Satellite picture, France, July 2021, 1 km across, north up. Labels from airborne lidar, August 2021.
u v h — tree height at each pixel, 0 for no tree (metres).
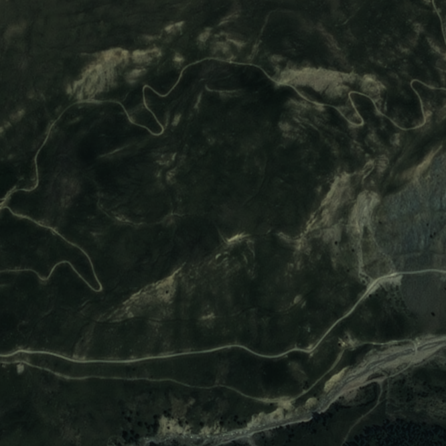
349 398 0
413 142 0
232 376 0
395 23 0
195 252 0
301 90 0
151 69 0
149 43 0
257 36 0
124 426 0
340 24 0
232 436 0
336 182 0
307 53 0
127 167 0
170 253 0
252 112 0
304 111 0
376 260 0
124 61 0
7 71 0
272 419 0
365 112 0
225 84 0
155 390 0
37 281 0
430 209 0
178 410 0
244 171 0
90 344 0
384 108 0
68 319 0
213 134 0
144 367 0
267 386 0
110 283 0
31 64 0
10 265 0
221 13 0
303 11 0
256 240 0
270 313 0
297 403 0
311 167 0
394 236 0
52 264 0
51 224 0
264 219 0
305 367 0
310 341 0
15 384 0
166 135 0
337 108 0
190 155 0
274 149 0
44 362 0
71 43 0
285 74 0
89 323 0
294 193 0
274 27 0
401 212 0
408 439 18
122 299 0
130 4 0
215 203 0
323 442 0
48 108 0
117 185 0
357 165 0
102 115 0
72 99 0
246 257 0
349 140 0
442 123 0
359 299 0
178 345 0
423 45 0
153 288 0
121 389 0
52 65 0
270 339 0
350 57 0
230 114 0
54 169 0
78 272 0
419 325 0
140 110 0
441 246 0
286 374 0
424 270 0
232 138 0
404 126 0
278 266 0
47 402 0
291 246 0
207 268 0
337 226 0
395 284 0
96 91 0
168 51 0
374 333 0
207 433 0
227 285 0
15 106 0
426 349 0
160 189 0
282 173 0
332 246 0
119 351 0
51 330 0
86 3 0
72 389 0
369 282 0
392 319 0
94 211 0
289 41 0
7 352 0
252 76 0
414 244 0
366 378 0
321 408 0
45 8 0
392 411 0
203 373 0
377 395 6
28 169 0
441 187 0
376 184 0
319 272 0
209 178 0
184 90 0
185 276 0
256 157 0
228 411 0
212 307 0
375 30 0
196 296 0
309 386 6
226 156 0
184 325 0
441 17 0
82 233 0
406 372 0
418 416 0
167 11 0
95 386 0
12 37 0
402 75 0
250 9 0
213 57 0
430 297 0
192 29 0
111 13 0
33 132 0
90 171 0
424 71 0
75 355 0
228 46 0
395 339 0
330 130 0
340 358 0
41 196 0
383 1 0
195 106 0
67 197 0
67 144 0
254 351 0
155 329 0
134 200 0
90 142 0
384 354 0
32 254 0
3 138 0
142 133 0
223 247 0
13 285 0
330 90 0
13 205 0
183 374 0
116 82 0
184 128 0
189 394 0
